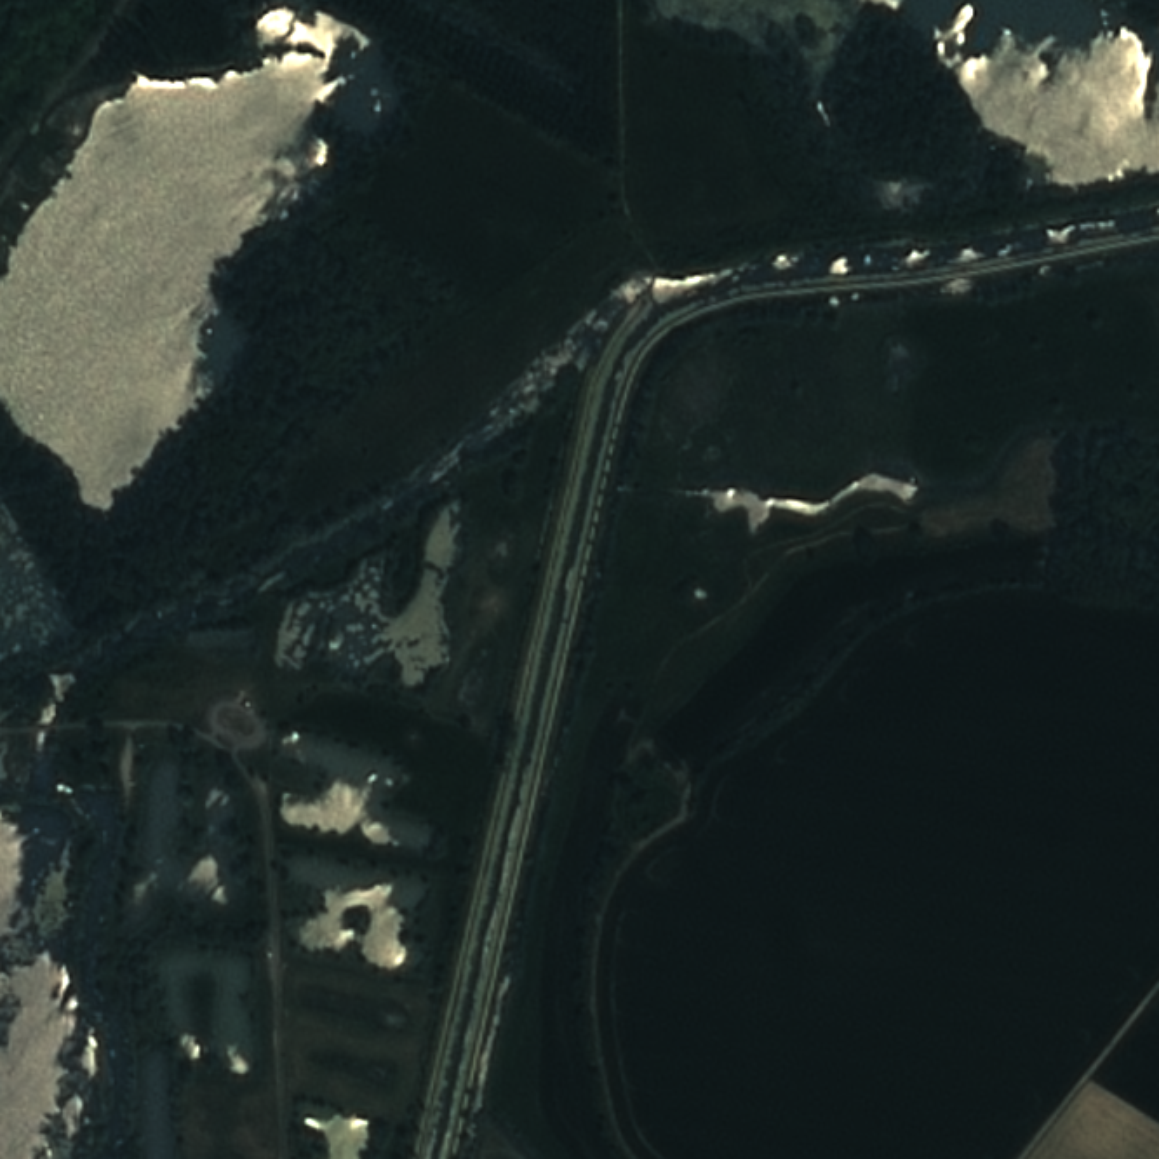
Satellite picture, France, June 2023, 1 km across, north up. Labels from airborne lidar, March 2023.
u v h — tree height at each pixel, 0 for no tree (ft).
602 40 75
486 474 0
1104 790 0
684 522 0
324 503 0
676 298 0
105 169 0
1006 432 0
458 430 0
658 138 0
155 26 76
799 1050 0
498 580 0
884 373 0
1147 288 0
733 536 0
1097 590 72
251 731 0
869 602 0
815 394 0
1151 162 0
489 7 58
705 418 0
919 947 0
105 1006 0
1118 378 0
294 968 0
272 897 0
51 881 0
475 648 0
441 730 0
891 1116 0
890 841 0
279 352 58
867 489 0
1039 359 0
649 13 48
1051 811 0
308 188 0
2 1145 0
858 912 0
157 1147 0
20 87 21
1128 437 92
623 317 0
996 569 0
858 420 0
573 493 0
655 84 0
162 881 0
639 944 0
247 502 70
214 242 0
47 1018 0
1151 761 0
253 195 0
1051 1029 0
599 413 0
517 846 0
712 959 0
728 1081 0
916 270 0
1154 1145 0
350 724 0
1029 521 0
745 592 0
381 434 0
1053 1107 0
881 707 0
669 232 0
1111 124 0
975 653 0
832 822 0
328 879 0
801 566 0
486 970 0
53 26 54
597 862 37
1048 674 0
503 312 0
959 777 0
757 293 0
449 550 0
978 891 0
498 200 0
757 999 0
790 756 0
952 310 0
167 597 52
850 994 0
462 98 0
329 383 21
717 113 0
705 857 0
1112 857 0
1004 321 0
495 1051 0
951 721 0
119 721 0
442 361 0
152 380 0
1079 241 0
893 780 0
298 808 0
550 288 0
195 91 0
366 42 0
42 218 0
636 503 0
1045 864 0
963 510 0
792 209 0
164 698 0
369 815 0
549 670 0
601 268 0
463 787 0
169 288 0
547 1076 0
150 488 71
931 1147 0
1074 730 0
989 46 0
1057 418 0
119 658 27
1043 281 0
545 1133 0
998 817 0
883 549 0
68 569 45
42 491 80
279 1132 0
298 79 0
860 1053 0
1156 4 25
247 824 0
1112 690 0
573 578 0
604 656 0
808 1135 0
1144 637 0
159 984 27
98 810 0
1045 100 0
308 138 0
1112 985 0
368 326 63
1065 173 0
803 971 0
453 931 17
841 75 45
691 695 0
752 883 0
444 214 0
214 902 0
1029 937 0
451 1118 0
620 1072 0
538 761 0
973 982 0
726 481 0
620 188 0
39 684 83
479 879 0
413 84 39
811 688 17
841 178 57
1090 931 0
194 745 37
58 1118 0
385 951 0
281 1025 0
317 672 0
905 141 45
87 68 0
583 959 17
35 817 0
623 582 0
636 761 0
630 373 0
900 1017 0
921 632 0
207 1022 0
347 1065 0
